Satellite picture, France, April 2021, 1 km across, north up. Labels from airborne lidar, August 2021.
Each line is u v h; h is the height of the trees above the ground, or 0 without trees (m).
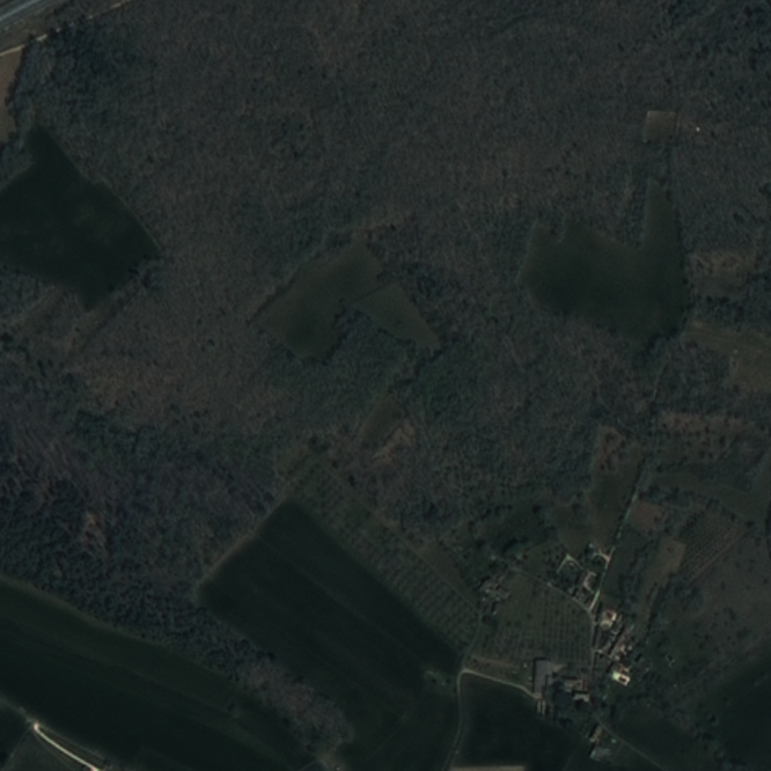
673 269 0
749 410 8
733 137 15
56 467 11
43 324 0
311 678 0
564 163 12
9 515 17
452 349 13
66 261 0
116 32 14
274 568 0
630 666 7
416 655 0
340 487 8
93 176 12
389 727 0
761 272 13
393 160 10
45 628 0
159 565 15
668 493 7
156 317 12
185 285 12
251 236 19
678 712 7
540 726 0
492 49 14
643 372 13
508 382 16
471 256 13
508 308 11
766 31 7
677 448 11
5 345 12
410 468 13
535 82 15
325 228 17
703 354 17
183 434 14
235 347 11
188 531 19
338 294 0
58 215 0
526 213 18
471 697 0
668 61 8
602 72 9
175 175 12
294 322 0
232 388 10
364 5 13
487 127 9
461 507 16
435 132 12
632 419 15
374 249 6
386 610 0
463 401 9
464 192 11
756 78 8
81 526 11
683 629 0
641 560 9
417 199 13
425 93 15
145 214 11
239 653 15
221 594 0
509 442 8
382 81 16
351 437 17
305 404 23
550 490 10
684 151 15
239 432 17
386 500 12
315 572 0
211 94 8
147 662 0
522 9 7
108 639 0
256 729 0
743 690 0
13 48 0
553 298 0
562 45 12
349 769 0
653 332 0
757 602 0
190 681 0
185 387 9
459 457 11
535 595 9
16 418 18
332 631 0
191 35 11
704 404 10
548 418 17
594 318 0
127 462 25
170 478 16
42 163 0
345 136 11
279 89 7
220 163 10
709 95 13
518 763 0
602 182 14
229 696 0
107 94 13
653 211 0
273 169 14
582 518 14
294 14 8
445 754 0
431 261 14
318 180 6
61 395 13
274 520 0
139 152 10
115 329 13
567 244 0
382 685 0
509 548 9
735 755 0
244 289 15
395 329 0
